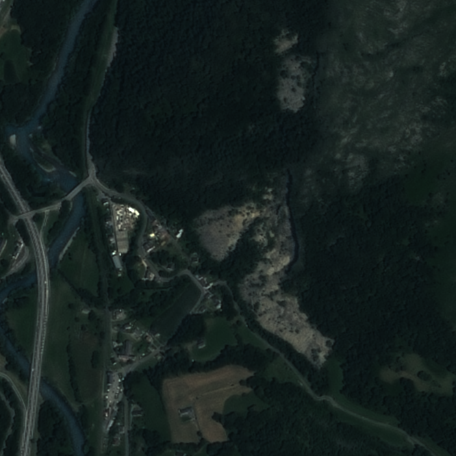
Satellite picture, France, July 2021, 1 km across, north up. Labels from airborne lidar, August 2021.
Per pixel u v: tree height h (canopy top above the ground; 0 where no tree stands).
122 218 0
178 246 0
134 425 6
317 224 15
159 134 18
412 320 21
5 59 14
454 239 0
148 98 19
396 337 19
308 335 0
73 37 0
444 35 0
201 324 13
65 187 0
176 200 24
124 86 29
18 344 22
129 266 15
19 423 15
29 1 7
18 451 16
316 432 13
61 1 19
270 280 0
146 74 26
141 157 14
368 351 22
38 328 0
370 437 10
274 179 15
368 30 0
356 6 0
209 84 16
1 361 0
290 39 7
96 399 0
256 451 14
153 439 23
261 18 27
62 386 0
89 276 0
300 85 9
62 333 0
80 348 0
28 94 12
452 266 0
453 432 13
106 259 8
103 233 11
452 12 0
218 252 0
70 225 0
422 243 20
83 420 14
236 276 18
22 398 0
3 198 15
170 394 0
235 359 16
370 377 21
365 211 15
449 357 17
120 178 6
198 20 21
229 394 0
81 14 0
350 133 0
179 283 18
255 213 0
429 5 0
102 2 22
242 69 33
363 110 0
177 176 10
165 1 27
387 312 22
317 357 10
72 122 21
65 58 0
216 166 10
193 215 14
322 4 13
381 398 21
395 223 8
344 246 18
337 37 0
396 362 15
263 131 6
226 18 18
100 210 11
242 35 27
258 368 17
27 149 0
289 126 23
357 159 0
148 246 0
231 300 21
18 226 16
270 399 17
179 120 16
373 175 11
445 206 7
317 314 23
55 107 24
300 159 12
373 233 14
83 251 0
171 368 16
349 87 0
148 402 0
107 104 28
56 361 0
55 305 0
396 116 0
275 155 12
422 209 9
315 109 8
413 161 0
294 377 0
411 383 21
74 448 0
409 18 0
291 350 19
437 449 0
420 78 0
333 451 14
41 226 0
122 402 11
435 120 7
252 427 23
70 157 21
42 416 18
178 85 23
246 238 9
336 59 0
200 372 14
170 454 0
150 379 14
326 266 18
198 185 17
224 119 23
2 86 18
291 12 11
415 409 23
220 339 0
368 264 13
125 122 15
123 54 28
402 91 0
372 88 0
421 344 18
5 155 10
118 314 0
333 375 0
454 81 16
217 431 0
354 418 0
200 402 0
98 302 20
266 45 25
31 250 0
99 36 17
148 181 18
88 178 0
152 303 18
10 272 0
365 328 23
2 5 0
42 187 13
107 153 12
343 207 19
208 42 18
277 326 0
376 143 0
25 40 24
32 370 0
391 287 13
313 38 9
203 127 19
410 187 0
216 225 0
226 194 23
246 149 24
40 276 0
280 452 12
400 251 23
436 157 0
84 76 22
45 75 9
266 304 0
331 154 0
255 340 0
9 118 27
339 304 16
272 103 22
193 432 0
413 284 23
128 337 0
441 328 16
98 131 22
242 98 30
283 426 16
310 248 11
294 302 0
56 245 0
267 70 23
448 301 0
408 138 0
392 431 0
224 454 21
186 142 26
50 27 20
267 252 7
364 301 15
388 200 18
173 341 19
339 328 21
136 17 26
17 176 21
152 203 18
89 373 0
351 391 16
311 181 0
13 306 14
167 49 24
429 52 0
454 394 10
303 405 17
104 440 0
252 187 9
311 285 17
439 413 17
